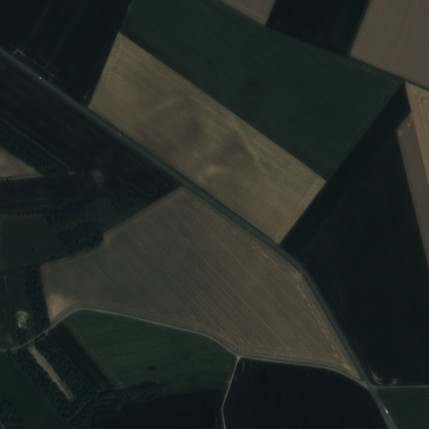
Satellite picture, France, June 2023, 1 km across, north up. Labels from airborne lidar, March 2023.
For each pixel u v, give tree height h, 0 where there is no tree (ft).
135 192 0
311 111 0
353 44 0
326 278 0
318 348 0
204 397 0
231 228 0
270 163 0
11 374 0
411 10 0
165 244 0
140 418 0
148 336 0
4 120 0
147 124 0
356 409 0
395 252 0
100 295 0
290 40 0
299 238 0
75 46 0
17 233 0
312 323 0
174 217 0
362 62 0
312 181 0
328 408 0
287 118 0
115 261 0
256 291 0
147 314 0
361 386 0
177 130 0
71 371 26
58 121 0
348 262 0
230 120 0
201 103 0
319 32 0
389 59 0
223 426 0
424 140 0
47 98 0
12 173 0
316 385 0
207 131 0
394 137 0
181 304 0
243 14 0
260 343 0
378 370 0
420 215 0
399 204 0
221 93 0
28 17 0
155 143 0
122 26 0
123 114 0
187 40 0
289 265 0
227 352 0
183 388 0
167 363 0
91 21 0
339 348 0
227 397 0
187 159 0
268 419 0
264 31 0
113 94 0
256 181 0
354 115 0
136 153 0
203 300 0
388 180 0
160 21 0
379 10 0
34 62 0
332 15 0
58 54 0
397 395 0
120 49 0
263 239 0
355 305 0
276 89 0
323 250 0
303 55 0
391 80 0
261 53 0
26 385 0
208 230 0
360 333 0
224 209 0
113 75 0
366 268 0
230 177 0
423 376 0
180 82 0
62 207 0
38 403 0
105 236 0
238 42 0
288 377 0
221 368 0
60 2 0
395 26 0
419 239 0
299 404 0
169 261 0
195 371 0
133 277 0
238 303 0
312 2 0
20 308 0
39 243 0
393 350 0
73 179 0
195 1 0
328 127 0
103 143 0
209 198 0
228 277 0
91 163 0
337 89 0
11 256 0
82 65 0
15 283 0
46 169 33
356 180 0
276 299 0
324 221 0
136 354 0
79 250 56
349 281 0
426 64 0
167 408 0
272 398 0
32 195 0
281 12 0
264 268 0
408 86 0
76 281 0
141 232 0
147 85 0
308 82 0
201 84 0
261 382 0
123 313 0
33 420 0
